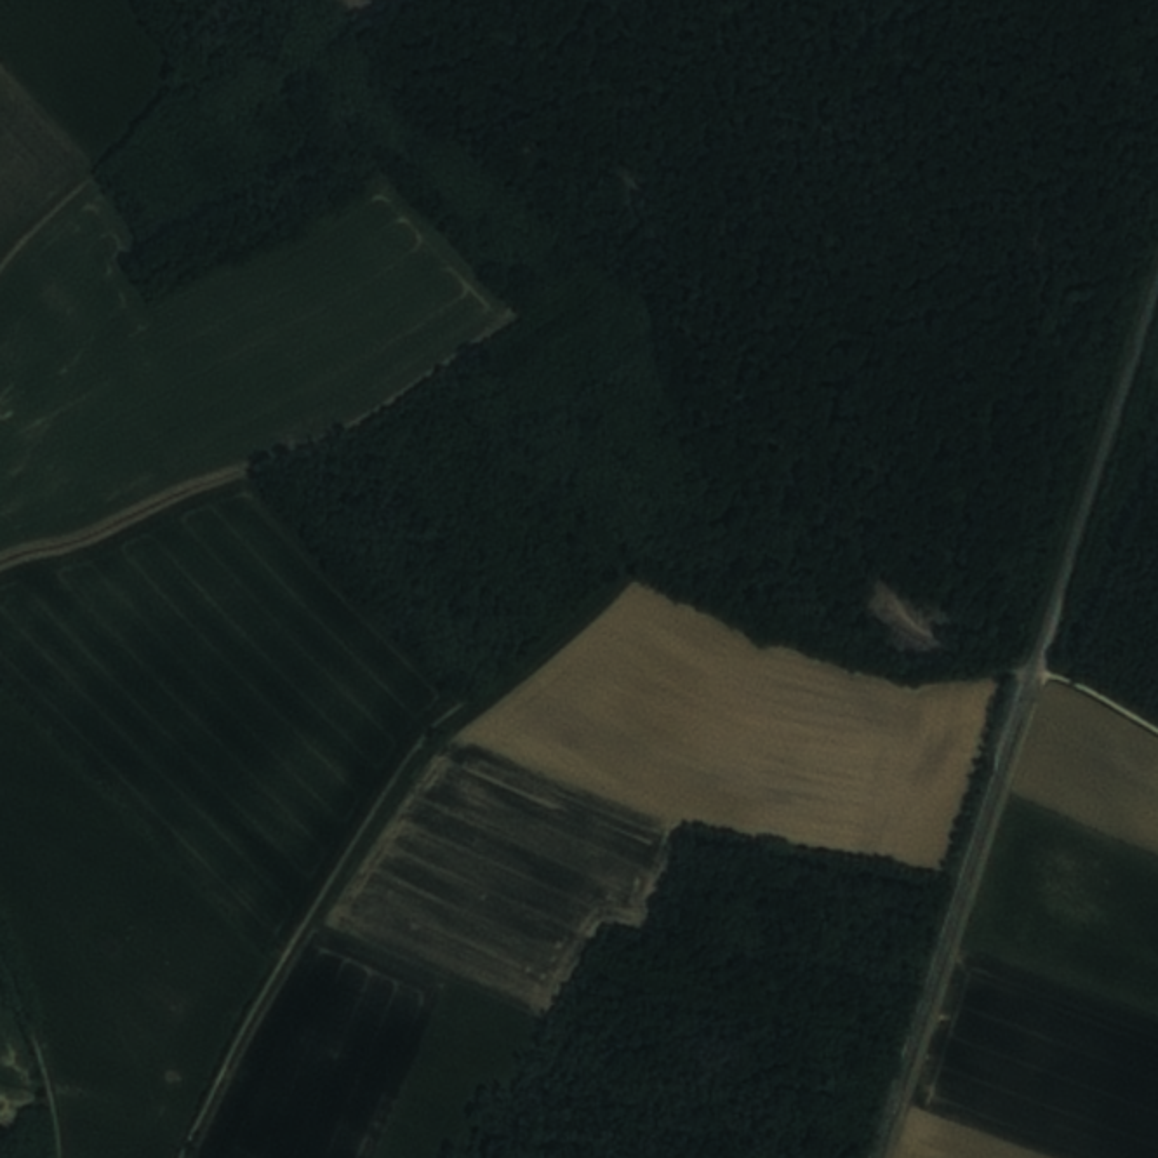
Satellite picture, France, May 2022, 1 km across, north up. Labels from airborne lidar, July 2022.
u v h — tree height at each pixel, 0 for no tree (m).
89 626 0
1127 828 0
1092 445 8
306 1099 0
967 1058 0
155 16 21
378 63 26
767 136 28
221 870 0
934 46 27
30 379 0
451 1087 0
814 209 26
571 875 0
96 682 0
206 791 0
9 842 0
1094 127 25
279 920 0
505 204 19
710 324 25
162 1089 0
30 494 0
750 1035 24
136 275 20
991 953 0
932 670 25
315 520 21
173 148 13
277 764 0
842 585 22
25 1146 15
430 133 21
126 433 0
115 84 0
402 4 17
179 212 15
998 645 24
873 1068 20
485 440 11
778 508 18
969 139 29
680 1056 19
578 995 15
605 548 9
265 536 0
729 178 28
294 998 0
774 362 25
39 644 0
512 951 0
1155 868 0
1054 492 25
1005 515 30
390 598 15
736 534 21
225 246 21
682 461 16
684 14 23
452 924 0
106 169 13
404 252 0
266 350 0
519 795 0
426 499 10
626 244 22
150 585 0
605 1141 24
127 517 0
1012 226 27
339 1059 0
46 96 0
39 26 0
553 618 11
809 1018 9
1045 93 25
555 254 20
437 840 0
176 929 0
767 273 26
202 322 0
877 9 25
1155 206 10
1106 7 28
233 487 0
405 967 0
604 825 0
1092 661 15
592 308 8
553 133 27
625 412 19
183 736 0
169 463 0
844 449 25
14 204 0
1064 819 0
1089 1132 0
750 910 21
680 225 25
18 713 0
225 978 0
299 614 0
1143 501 21
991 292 24
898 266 26
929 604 19
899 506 28
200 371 0
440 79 29
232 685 0
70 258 0
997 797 0
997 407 18
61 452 0
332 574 19
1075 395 22
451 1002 0
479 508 8
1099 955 0
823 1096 16
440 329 0
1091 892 0
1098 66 28
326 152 26
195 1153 9
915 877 12
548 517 19
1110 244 27
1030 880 0
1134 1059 0
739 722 0
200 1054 0
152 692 0
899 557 28
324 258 0
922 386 30
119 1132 0
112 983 0
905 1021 19
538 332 8
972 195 28
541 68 28
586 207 19
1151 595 21
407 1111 0
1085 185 28
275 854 0
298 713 0
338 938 0
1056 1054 0
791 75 28
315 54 22
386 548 25
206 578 0
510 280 22
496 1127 19
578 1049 19
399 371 0
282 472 19
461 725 0
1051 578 9
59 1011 0
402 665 0
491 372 18
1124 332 10
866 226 26
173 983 0
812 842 0
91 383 0
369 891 0
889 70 31
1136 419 10
